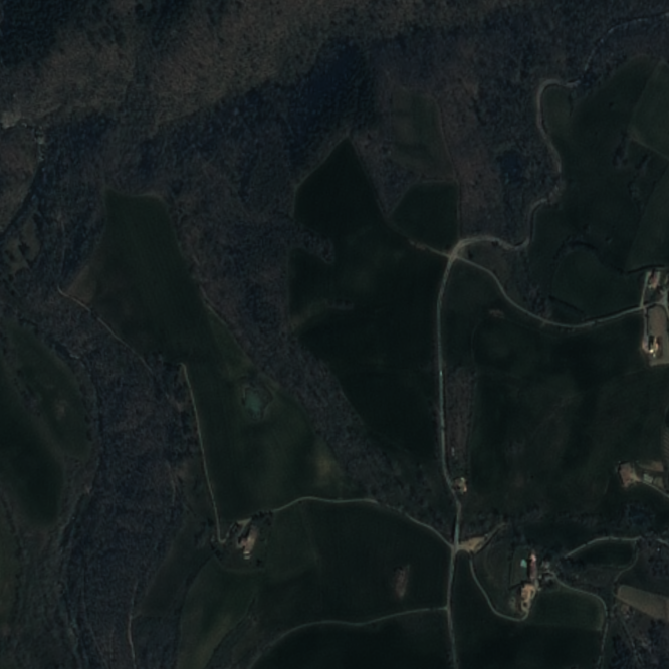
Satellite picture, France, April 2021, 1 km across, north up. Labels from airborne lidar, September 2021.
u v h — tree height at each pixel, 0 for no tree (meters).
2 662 0
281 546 0
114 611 12
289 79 16
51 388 0
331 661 0
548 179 11
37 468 0
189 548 0
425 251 0
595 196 0
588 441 0
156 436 13
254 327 22
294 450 0
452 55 16
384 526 0
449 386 7
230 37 11
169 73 13
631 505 6
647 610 0
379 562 0
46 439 0
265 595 0
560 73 13
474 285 0
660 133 0
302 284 0
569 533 0
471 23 20
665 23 11
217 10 14
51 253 13
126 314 0
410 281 0
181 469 11
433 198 0
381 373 0
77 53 14
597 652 0
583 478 0
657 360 0
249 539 0
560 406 0
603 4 8
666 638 12
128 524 16
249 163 14
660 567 11
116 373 9
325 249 9
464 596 0
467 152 13
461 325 0
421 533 0
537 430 0
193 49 11
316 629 0
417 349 0
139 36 13
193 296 0
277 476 0
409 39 14
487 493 0
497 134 18
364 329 0
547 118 0
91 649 7
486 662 0
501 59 10
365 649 0
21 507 0
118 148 13
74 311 7
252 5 10
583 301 0
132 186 14
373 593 0
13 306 6
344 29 16
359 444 22
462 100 7
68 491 8
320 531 0
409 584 0
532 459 0
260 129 19
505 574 0
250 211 23
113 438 14
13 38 24
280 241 21
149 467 12
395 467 27
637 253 0
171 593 0
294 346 12
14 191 6
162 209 0
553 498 0
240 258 18
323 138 20
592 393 0
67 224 6
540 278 0
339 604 0
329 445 12
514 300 0
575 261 0
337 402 14
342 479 0
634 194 6
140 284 0
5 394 0
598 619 0
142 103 13
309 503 0
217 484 0
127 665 10
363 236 0
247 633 0
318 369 13
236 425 0
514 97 16
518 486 0
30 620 8
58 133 10
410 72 13
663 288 7
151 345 0
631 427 0
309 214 0
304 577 0
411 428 0
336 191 0
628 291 0
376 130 15
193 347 0
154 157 9
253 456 0
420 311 0
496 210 12
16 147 15
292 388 14
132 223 0
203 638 0
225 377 0
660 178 0
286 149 15
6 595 0
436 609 7
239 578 0
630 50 13
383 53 15
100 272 0
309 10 6
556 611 0
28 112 8
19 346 0
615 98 0
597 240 0
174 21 22
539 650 0
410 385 0
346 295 0
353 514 0
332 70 10
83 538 13
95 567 7
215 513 0
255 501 0
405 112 0
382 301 0
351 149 0
